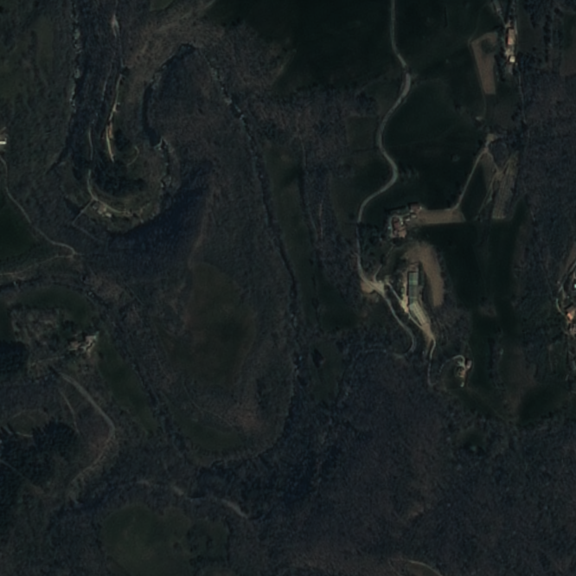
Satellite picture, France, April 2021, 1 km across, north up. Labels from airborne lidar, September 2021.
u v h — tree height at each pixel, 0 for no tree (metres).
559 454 15
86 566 14
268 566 17
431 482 15
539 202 9
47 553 23
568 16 0
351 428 13
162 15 7
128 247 14
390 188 0
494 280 0
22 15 9
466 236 0
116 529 0
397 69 0
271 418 11
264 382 20
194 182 8
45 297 0
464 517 19
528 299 6
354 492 12
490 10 0
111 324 19
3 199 8
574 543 21
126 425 7
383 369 14
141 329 11
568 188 9
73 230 12
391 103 0
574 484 15
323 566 12
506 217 9
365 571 13
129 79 9
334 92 12
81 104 19
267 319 12
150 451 15
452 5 0
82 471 16
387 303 13
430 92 0
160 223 6
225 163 13
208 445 0
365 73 0
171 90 15
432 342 7
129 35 10
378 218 0
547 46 7
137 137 12
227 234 13
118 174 15
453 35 0
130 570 0
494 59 0
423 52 0
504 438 21
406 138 0
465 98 0
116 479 21
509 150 9
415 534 16
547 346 6
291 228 0
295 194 0
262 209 16
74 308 0
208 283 0
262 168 8
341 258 21
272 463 23
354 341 9
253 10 0
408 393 18
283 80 0
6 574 19
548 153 13
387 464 16
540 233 9
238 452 14
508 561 17
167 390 10
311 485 17
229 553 11
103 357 20
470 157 0
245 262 12
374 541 13
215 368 0
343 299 11
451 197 0
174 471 21
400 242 12
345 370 11
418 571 0
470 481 13
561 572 14
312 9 0
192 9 7
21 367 31
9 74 0
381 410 15
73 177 0
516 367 0
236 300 0
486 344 0
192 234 11
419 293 0
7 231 0
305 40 0
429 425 21
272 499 17
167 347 0
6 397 20
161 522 0
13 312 14
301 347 9
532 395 0
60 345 19
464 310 11
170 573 0
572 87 11
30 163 11
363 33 0
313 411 15
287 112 7
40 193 32
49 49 0
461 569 11
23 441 6
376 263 10
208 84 6
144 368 13
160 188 5
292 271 22
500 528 22
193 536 15
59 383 15
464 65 0
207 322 0
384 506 13
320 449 18
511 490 19
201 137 10
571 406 16
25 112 13
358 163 0
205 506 17
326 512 11
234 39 9
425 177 0
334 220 16
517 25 0
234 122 6
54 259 10
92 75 8
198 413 10
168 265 10
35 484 23
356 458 13
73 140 13
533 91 10
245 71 9
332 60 0
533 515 18
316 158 6
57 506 21
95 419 17
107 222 7
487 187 0
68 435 24
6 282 8
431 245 0
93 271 7
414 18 0
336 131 15
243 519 12
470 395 0
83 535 17
